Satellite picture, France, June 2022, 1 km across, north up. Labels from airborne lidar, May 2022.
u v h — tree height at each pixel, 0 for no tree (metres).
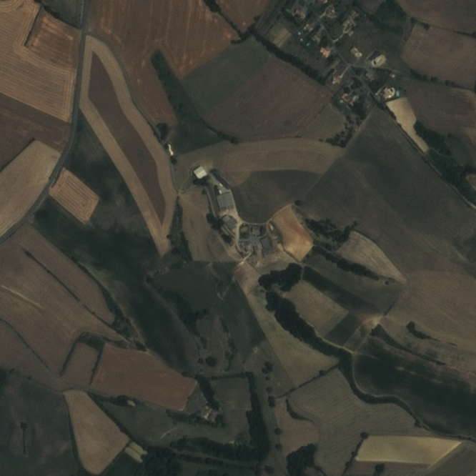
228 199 0
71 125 0
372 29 0
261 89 0
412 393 0
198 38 0
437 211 0
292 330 16
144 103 0
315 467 9
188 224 0
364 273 9
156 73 0
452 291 0
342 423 0
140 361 0
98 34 0
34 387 0
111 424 0
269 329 0
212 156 0
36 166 0
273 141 0
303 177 0
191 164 0
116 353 0
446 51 0
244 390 0
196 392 0
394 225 0
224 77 0
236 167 0
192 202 0
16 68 0
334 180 0
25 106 0
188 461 10
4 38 0
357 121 7
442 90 0
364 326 0
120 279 0
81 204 0
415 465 0
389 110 7
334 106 0
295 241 0
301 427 0
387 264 0
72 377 0
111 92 0
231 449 18
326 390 0
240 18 0
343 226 0
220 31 0
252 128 0
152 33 0
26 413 0
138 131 0
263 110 0
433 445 0
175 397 0
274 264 0
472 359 0
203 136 0
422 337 12
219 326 0
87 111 0
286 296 0
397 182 0
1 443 0
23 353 0
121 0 0
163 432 0
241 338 0
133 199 0
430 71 0
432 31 0
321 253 6
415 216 0
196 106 0
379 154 0
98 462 0
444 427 0
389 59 0
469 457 0
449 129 0
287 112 0
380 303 0
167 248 0
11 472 0
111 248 0
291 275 16
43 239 0
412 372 0
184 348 0
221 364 0
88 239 0
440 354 0
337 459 0
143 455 9
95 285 0
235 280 0
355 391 10
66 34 0
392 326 0
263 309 0
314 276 0
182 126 0
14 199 0
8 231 0
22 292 0
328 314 0
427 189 0
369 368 0
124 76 0
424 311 0
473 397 0
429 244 0
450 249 0
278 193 0
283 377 0
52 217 0
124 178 0
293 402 0
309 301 0
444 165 8
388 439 0
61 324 0
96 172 0
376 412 0
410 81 0
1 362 0
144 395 0
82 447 0
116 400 9
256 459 13
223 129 0
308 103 0
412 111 0
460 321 0
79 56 0
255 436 18
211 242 0
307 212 0
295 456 20
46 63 0
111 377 0
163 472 15
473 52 0
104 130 0
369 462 0
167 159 0
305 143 0
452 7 0
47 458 0
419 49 0
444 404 0
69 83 0
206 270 0
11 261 0
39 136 0
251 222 0
